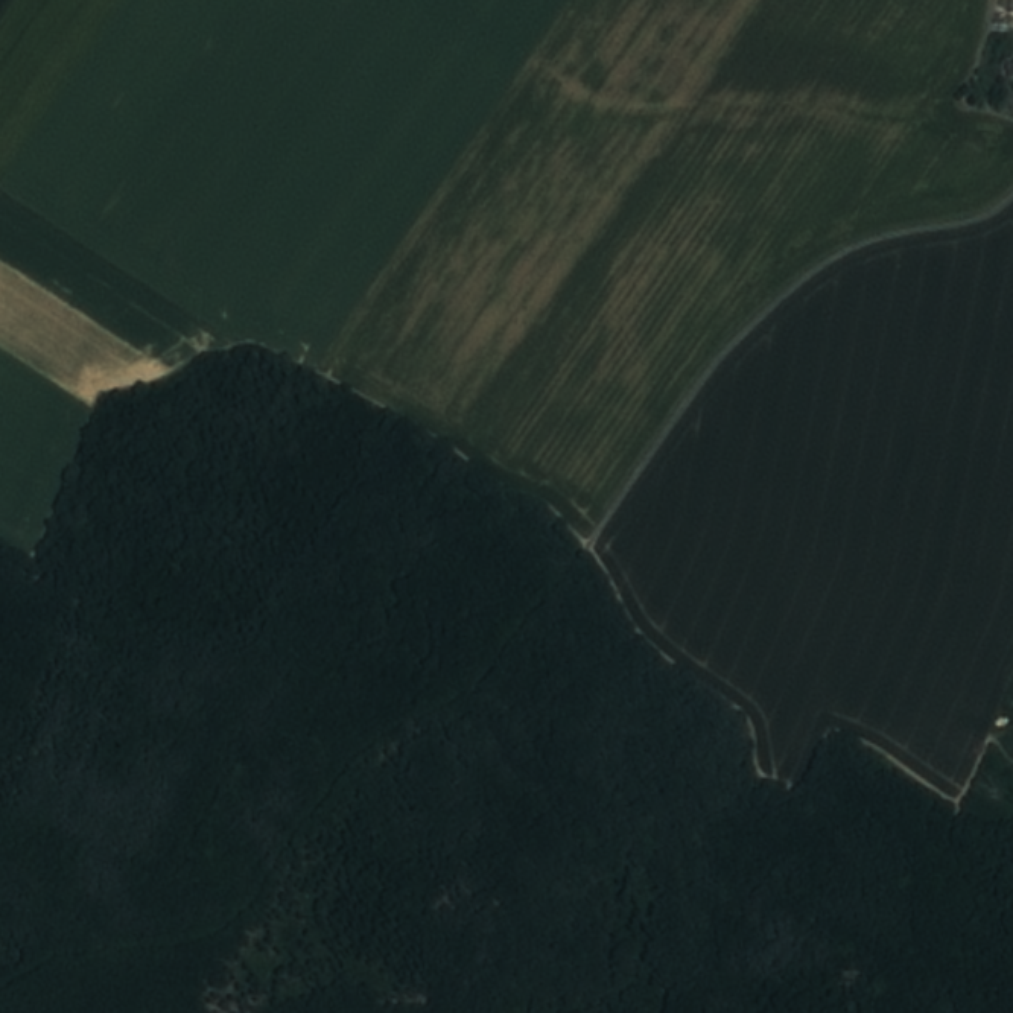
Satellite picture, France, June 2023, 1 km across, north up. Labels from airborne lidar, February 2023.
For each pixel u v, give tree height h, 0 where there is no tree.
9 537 0
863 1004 17
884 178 0
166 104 0
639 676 24
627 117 0
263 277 0
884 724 0
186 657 17
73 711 13
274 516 9
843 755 11
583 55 0
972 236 0
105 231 0
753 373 0
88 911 16
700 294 0
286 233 0
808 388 0
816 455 0
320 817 18
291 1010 15
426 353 0
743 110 0
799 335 0
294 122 0
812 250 0
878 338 0
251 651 18
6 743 15
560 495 0
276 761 21
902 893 19
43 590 21
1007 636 0
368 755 16
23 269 0
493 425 0
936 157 0
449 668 19
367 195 0
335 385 13
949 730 0
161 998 20
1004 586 0
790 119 0
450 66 0
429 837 19
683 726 24
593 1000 21
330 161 0
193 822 18
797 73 0
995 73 0
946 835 19
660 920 25
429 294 0
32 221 0
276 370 19
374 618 20
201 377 15
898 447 0
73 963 17
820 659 0
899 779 16
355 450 9
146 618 14
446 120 0
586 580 22
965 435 0
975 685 0
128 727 16
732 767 23
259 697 20
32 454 0
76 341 0
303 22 0
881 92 0
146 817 18
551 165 0
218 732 19
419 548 19
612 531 0
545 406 0
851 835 17
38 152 0
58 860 12
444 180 0
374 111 0
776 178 0
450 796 20
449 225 0
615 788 22
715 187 0
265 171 0
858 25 0
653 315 0
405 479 15
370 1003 15
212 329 0
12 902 15
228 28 0
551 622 23
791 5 0
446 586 20
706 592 0
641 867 21
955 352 0
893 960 20
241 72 0
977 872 20
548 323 0
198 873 19
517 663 22
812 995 15
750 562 0
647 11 0
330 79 0
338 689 19
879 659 0
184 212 0
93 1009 17
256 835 21
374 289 0
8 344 0
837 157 0
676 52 0
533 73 0
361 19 0
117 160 0
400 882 19
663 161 0
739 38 0
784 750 0
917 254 0
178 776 20
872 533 0
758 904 18
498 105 0
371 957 16
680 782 22
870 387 0
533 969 20
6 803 17
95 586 18
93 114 0
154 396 10
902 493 0
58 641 18
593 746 23
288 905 19
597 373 0
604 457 0
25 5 0
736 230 0
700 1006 18
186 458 20
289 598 21
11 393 0
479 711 22
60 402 0
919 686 0
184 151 0
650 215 0
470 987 13
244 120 0
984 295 0
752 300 0
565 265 0
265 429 19
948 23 0
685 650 0
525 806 19
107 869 17
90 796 21
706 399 0
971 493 0
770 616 0
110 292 0
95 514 19
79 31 0
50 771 18
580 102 0
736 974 21
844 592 0
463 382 0
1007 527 0
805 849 23
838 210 0
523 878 20
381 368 0
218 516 17
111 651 17
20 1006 17
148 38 0
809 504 0
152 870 16
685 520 0
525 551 24
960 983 20
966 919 20
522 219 0
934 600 0
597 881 20
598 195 0
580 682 21
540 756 14
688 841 28
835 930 19
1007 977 17
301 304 0
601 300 0
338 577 20
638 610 0
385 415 13
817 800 21
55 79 0
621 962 23
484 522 21
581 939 20
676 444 0
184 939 18
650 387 0
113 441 19
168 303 0
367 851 18
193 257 0
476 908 17
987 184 0
